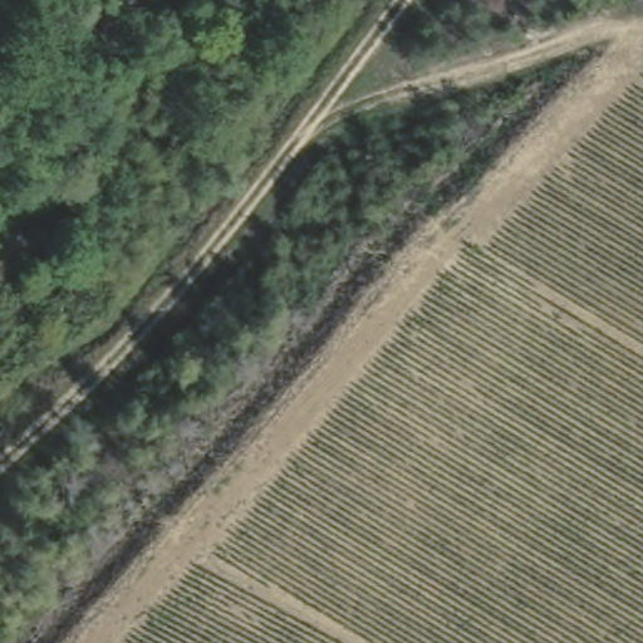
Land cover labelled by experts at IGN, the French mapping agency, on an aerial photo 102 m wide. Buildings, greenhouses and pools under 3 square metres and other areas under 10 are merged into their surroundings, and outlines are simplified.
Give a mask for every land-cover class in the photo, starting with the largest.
<instances>
[{"label":"vineyard","instance_id":"1","mask_svg":"<svg viewBox=\"0 0 643 643\"><path fill-rule=\"evenodd\" d=\"M573 161L558 168H548L543 173V186L532 191V203L517 208L515 219L505 221V226L495 234L490 244H462L457 264L437 276V284L422 299L419 311L402 322L397 337L379 352L367 374L352 384L349 394L337 404V409L314 432V437L289 460V465L264 492V497L256 500L249 517L239 522L234 535H229L226 543H219L213 548V555L219 560L239 568L241 573L264 585H271L269 595L261 598L241 588L239 583L229 580L226 575H219L203 565H193L183 575L178 588H173L158 605L148 608L146 625L136 628L123 643H643V88L630 85L618 103L603 111L598 126L583 141L573 143Z\"/></svg>","mask_w":643,"mask_h":643},{"label":"coniferous trees","instance_id":"2","mask_svg":"<svg viewBox=\"0 0 643 643\"><path fill-rule=\"evenodd\" d=\"M610 40L603 38L590 45L575 48L573 53L510 73L492 83L457 88L452 85V80H442V88L412 95L407 103H384L364 113L344 111V128L339 136H327L322 131L296 158L289 161L284 173L276 178L271 193L256 206V211L249 216L241 231L221 249V254L213 256L211 266H206L193 279L191 289L178 301H173V309L153 311L131 334L133 349L123 359V364L105 374L98 389L83 397V402H78L45 437H40L23 460L8 467V472H0V643H63L68 633L83 620L85 610L108 593V588L126 573V568L158 538L163 520L178 515L183 502L203 485V480L219 465H224V460L231 452L241 447L249 427L256 424V419L279 399V394L309 367L311 357L332 339L334 329L347 319L362 289H367L374 279L384 274L387 264L394 259L397 251L404 249L409 236L445 206L462 198L465 193H472L480 186L482 176L510 148V143L527 131L530 121H535L543 108H548L558 98V93L570 80H575L578 73H583V68L603 58V53L608 50Z\"/></svg>","mask_w":643,"mask_h":643},{"label":"brushwood","instance_id":"3","mask_svg":"<svg viewBox=\"0 0 643 643\"><path fill-rule=\"evenodd\" d=\"M40 18L38 0H0V45L13 43L18 38V25L23 20ZM397 5L394 0H121V10L116 15L98 18L93 38L85 40L90 50H98V55L105 63H121L133 68L143 58V50L151 43V38L161 35V15L166 13L181 23L183 40L188 45V60L173 70H166L158 78H146L141 83V88L136 90V103L128 116V138L118 151V161L111 173L98 178V193L83 203L85 213L73 221L75 234H98L103 259L98 279L85 289L53 286L40 301H33L28 289L13 294V286L5 279L0 281V452L23 435V430H28L30 422L40 419L53 407L58 394L70 389L90 367H95L103 349L121 332L131 329V334L153 311L148 309V301L166 286L171 289L173 301H178L191 289L193 279L206 266L196 259L198 244L213 231V226L221 224L224 213L256 178L259 168L271 158L279 143L296 128L299 118L314 103L327 78L342 65L347 53L369 28L372 15L389 13ZM593 13V0H414L394 23V30L384 38V43L394 48L402 58L419 55L430 58L432 63H442L455 58L460 43H467L472 33L490 35L492 30L510 28L525 35L527 30L568 28L570 23L588 20Z\"/></svg>","mask_w":643,"mask_h":643},{"label":"herbaceous vegetation","instance_id":"4","mask_svg":"<svg viewBox=\"0 0 643 643\"><path fill-rule=\"evenodd\" d=\"M603 38L610 40L608 50L603 53V58L583 68V73H578L575 80H570L558 93V98L548 108H543L535 121H530L527 131L510 143V148L482 176L480 186L472 193H465L462 198L445 206L409 236L404 249L397 251L394 259L387 264L384 274L374 279L367 289H362L347 319L334 329L332 339L311 357L309 367L279 394V399L256 419V424L249 427L241 447L231 452L224 460V465H219L203 480V485L183 502L178 515L163 520L158 538L126 568V573L108 588V593L85 610L83 620L68 633L63 643H123L136 628L146 625L148 608L158 605L173 588H178L183 575L193 565H203L219 575H226L229 580L239 583L241 588L261 598L269 595L271 585H264L241 573L239 568L219 560L213 555V548L219 543H226L229 535H234L239 522L249 517L256 500L264 497V492L289 465V460L314 437V432L337 409V404L349 394L352 384L367 374L379 352L397 337L402 322L419 311L422 299L437 284V276L457 264L462 244H490L495 234L505 226V221L515 219L517 208L532 203V191L543 186V173L548 168H558L573 161V143L583 141L598 126L603 111L618 103L630 85L643 88V0H593V13L588 20L570 23L568 28L527 30L525 35L510 28L492 30L490 35L472 33L467 43H460L455 58L442 63H432L430 58L419 55L402 58L394 48L384 43L379 53L367 63V68L354 78V83L337 105L339 113H332L324 121L322 131L327 136H339L344 128V111L364 113L384 103H407L412 95L442 88V80H452V85L457 88L492 83L510 73L573 53L575 48L590 45ZM85 213L83 203H45L38 211L8 219V224L0 231V281L5 279L13 286V294L28 289V279L38 271V266L53 259L50 246L58 239H65L70 244L75 234L73 221Z\"/></svg>","mask_w":643,"mask_h":643},{"label":"deciduous trees","instance_id":"5","mask_svg":"<svg viewBox=\"0 0 643 643\"><path fill-rule=\"evenodd\" d=\"M40 18L23 20L18 25V38L13 43L0 45V231L8 224V219L38 211L45 203H83L98 193V178L111 173L118 161V151L128 138V116L136 103V90L141 88V83L146 78H158L166 70H173L188 60V45L183 40L181 23L166 13L161 15V35L151 38V43L143 50V58L133 68L121 63H105L98 55V50H90L85 40L93 38L98 18L116 15L121 10V0H38ZM53 259L38 266V271L28 279V289L33 301H40L53 286L85 289L98 279L103 259L98 234H75L70 244L65 239H58L50 246Z\"/></svg>","mask_w":643,"mask_h":643},{"label":"pervious surface","instance_id":"6","mask_svg":"<svg viewBox=\"0 0 643 643\"><path fill-rule=\"evenodd\" d=\"M397 5L389 13L372 15L369 28L347 53L342 65L327 78L314 103L299 118L296 128L279 143L271 158L259 168L256 178L224 213L221 224L213 226V231L198 244L196 259L206 266H211L213 256L221 254V249L241 231L249 216L256 211V206L271 193L276 178L284 173L289 161L296 158L322 131L324 121L332 113H339L337 105L354 83V78L367 68V63L379 53L384 43V38L394 30V23L414 0H394ZM148 309L153 311L173 309V301L171 289L166 286L148 301ZM133 349L131 334V329L121 332L103 349L95 367H90L70 389L58 394L53 407L40 419L30 422L28 430H23V435L0 452V472H8V467L23 460L40 437H45L78 402H83V397L98 389L105 374L123 364V359Z\"/></svg>","mask_w":643,"mask_h":643}]
</instances>
